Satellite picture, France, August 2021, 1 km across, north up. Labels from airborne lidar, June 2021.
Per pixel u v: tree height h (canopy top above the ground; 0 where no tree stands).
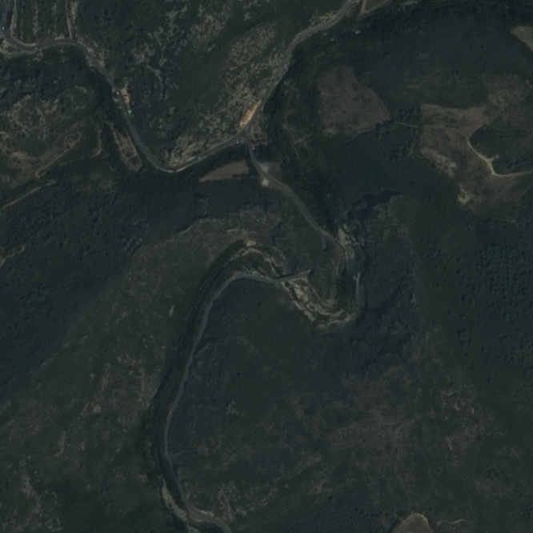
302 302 0
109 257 13
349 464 0
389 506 0
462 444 0
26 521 0
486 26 6
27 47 0
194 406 0
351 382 0
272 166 0
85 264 7
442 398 0
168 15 0
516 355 7
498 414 0
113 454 7
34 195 6
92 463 0
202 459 0
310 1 0
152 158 0
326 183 8
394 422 0
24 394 0
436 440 0
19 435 0
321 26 0
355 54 9
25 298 8
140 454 9
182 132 7
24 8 9
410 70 0
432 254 9
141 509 5
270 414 0
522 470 0
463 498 0
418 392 0
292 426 0
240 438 0
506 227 6
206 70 0
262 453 0
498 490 0
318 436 0
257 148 10
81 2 5
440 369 0
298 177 8
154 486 5
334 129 0
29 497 0
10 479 0
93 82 11
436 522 0
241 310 0
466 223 7
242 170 0
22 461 0
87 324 0
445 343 0
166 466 7
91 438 0
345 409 0
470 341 9
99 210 14
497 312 7
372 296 0
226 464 0
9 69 15
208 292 6
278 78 15
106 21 8
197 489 0
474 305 8
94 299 0
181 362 8
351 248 0
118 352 0
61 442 0
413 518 0
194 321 8
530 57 6
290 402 0
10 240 8
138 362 0
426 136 0
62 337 0
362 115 0
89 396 0
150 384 0
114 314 0
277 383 0
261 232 0
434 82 0
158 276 0
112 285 0
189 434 0
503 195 0
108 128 16
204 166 8
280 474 0
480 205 0
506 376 0
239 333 0
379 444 0
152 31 7
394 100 0
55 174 8
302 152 6
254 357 0
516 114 0
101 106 9
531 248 0
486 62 8
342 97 0
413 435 0
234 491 0
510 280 10
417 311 0
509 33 7
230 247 6
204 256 0
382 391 0
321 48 6
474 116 0
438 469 0
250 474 0
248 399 0
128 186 7
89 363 0
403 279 9
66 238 8
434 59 0
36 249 9
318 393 0
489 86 0
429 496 0
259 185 6
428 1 18
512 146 0
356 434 0
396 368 0
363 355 0
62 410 0
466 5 10
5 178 0
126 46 16
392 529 8
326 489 0
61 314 0
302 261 0
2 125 9
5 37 0
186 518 0
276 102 12
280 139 10
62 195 7
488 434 0
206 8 6
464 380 0
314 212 9
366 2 0
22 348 0
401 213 0
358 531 0
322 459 0
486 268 12
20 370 0
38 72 15
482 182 0
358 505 0
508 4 11
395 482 0
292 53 7
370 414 0
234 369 0
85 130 5
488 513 0
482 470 0
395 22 21
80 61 8
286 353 0
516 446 0
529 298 10
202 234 0
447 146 0
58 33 0
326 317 8
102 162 9
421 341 0
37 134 0
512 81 0
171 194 5
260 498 0
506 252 12
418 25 8
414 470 0
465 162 0
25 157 0
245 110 0
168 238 0
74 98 0
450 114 0
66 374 0
